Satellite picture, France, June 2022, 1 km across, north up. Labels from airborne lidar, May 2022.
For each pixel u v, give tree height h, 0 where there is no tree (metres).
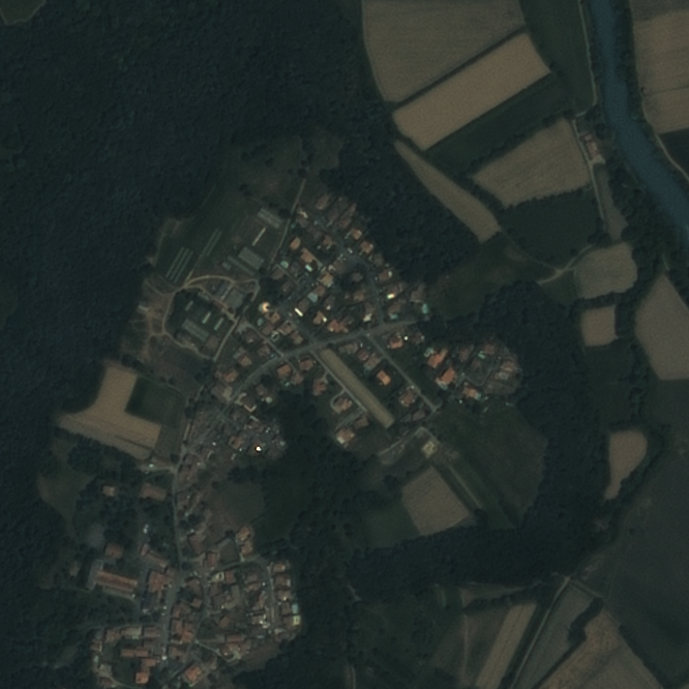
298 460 0
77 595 15
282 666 23
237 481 14
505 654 0
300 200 0
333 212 0
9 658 24
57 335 26
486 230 0
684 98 0
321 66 21
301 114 24
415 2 0
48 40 22
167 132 11
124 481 11
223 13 22
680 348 0
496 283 0
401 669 10
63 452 0
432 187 0
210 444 0
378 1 0
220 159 23
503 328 21
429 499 0
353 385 0
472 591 0
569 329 26
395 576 28
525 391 13
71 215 18
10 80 13
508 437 0
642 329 0
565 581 0
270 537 0
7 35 22
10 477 30
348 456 15
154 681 18
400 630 0
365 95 13
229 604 0
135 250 22
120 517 11
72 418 0
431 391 0
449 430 0
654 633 0
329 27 25
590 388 12
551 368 29
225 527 0
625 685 0
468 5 0
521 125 0
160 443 0
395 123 9
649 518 0
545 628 0
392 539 0
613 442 0
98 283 21
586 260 0
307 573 15
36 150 21
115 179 18
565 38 0
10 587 26
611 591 0
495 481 0
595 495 20
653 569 0
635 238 21
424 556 27
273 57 24
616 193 9
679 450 0
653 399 0
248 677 23
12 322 23
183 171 23
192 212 6
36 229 26
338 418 0
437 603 0
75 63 22
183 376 0
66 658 0
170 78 18
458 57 0
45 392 28
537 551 26
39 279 30
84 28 12
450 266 26
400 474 0
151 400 0
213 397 10
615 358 0
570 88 0
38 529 29
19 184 20
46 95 21
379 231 23
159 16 19
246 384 0
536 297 26
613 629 0
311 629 16
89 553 12
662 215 16
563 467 30
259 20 26
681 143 0
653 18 0
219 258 0
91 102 19
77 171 21
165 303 0
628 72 10
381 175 27
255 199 0
